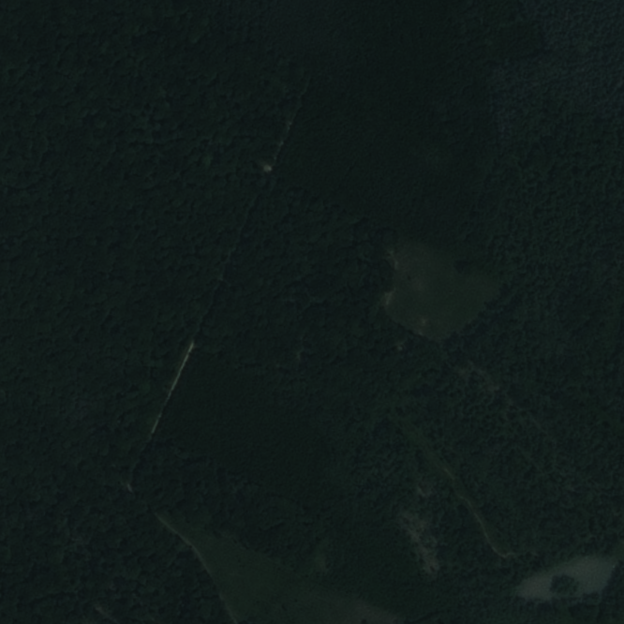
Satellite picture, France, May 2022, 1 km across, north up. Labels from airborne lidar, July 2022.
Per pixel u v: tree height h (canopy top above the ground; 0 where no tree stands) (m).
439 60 27
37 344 27
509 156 22
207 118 30
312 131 15
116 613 29
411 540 15
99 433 28
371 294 29
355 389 22
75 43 27
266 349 24
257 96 27
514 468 24
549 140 32
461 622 20
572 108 27
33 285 29
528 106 23
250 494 23
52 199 26
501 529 23
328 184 13
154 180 29
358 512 18
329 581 7
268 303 21
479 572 11
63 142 25
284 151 14
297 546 26
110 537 26
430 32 25
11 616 31
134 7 28
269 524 21
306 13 20
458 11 24
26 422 28
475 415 19
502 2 10
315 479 15
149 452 30
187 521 27
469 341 27
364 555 10
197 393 15
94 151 23
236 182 27
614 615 24
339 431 20
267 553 22
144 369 30
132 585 28
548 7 25
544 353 31
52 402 25
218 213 28
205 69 27
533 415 30
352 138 13
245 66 27
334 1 19
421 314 0
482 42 21
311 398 25
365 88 23
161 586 31
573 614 24
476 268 13
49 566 29
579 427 20
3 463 26
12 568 27
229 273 28
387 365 30
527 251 27
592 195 19
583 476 20
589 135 23
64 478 33
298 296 29
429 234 15
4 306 20
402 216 16
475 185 18
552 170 22
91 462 27
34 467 29
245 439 16
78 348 26
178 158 27
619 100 30
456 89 23
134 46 30
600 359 10
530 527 20
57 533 25
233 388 13
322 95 19
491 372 29
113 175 28
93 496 31
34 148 28
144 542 30
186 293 28
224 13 18
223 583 0
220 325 30
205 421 15
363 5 23
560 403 30
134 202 26
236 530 31
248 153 27
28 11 28
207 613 28
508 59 8
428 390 21
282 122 23
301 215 27
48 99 27
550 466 25
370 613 0
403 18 23
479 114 22
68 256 33
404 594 10
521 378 25
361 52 22
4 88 26
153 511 20
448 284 0
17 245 29
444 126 25
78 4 30
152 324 28
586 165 29
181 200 27
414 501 26
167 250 31
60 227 30
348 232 26
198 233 25
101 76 26
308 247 27
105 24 30
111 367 29
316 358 26
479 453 24
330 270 29
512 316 27
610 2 34
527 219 13
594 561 0
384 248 28
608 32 31
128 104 24
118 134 29
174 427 13
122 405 29
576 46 26
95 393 27
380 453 25
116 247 31
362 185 14
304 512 23
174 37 28
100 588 26
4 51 28
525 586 0
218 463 16
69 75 30
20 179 31
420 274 0
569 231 18
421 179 18
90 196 24
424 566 12
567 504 26
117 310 28
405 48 25
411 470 26
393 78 24
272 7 21
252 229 25
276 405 16
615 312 8
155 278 33
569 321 30
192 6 24
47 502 27
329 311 27
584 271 27
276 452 15
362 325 29
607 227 17
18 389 23
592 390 31
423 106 24
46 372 31
